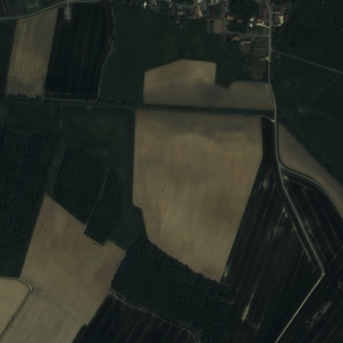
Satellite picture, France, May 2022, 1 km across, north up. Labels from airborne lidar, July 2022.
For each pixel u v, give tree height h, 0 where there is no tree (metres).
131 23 0
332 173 11
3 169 22
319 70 0
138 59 0
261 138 0
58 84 0
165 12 8
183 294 22
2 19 0
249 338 0
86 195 12
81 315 0
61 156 0
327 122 0
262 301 0
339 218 0
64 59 0
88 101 7
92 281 0
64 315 0
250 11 0
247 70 0
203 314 28
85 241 0
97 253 0
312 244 0
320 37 0
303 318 0
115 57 0
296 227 0
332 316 0
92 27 0
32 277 0
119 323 0
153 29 0
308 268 0
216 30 0
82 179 15
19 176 23
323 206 0
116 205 14
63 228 0
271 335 0
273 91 0
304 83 0
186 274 18
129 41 0
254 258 0
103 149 0
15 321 0
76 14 0
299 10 0
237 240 0
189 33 0
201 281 28
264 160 0
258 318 0
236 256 0
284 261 0
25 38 0
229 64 0
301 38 0
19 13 0
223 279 0
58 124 0
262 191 0
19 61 0
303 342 0
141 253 20
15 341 0
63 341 0
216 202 0
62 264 0
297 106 0
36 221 0
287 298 0
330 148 0
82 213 11
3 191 22
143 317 0
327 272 0
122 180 0
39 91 0
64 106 0
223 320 21
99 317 0
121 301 0
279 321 0
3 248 0
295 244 0
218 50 0
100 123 0
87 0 0
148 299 19
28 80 0
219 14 0
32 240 0
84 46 0
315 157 7
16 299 0
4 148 22
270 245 0
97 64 0
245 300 0
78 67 0
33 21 0
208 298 34
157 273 25
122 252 0
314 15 0
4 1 0
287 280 0
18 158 24
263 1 10
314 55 0
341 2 0
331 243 0
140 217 0
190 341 0
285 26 0
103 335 0
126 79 0
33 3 0
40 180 24
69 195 13
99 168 13
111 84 0
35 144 32
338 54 0
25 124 0
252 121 0
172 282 26
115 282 15
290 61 0
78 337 0
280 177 0
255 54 0
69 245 0
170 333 0
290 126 14
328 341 0
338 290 0
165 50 0
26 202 28
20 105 0
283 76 0
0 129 13
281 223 0
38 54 0
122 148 0
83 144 0
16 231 25
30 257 0
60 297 0
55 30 0
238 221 0
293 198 0
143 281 26
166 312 17
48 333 0
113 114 0
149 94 0
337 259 0
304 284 0
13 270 0
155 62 0
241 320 0
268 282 0
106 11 0
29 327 0
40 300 0
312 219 0
